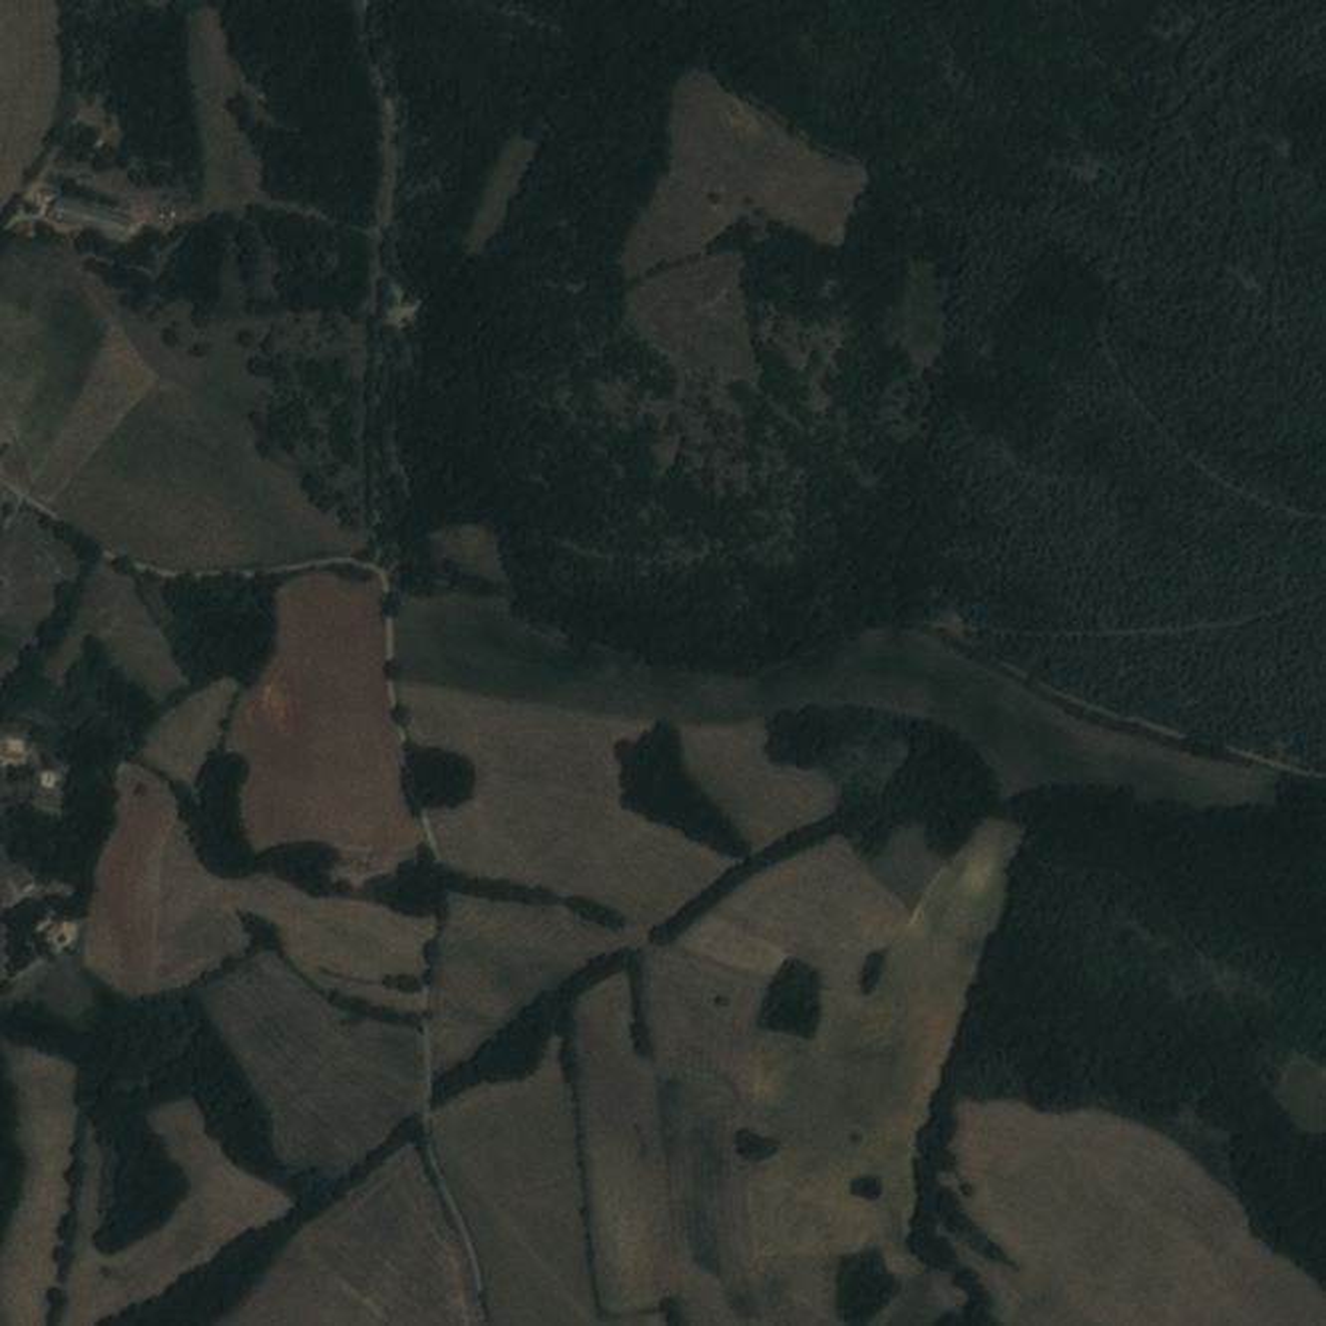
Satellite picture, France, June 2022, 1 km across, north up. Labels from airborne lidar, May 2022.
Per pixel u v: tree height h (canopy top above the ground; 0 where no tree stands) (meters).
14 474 0
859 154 9
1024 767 0
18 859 14
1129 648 14
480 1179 0
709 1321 0
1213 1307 0
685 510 10
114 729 9
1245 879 10
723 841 11
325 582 0
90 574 8
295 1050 0
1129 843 17
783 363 8
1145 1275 0
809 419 7
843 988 0
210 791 12
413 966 0
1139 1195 0
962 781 10
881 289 12
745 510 9
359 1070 0
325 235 8
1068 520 11
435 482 10
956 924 0
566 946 0
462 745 0
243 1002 0
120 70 11
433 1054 0
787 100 9
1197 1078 11
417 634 0
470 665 0
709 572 8
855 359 6
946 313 14
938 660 0
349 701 0
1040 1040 13
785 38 10
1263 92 7
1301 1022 8
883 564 12
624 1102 0
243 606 10
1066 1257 0
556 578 7
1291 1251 15
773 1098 0
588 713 0
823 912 0
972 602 6
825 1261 0
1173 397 12
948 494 9
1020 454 7
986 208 14
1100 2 8
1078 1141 0
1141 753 0
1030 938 9
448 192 9
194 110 9
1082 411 6
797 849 13
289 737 0
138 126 10
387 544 9
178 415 0
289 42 10
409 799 9
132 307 9
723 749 0
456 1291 0
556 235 10
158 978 0
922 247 13
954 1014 0
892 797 8
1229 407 10
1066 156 13
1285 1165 13
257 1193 0
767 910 0
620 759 9
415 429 10
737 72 9
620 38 18
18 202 9
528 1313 0
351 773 0
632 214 8
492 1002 0
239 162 0
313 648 0
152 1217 15
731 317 0
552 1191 0
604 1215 0
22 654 9
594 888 0
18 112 0
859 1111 0
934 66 6
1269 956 7
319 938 0
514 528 11
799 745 10
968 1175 0
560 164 12
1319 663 12
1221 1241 0
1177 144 9
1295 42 11
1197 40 15
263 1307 0
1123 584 10
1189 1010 8
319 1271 0
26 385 0
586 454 10
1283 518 13
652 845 0
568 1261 0
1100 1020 9
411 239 6
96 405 0
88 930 0
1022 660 8
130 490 0
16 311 0
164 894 0
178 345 8
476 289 14
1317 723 13
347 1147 0
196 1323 11
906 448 12
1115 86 7
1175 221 6
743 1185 0
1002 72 9
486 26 10
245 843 12
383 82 6
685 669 13
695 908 12
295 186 8
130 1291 0
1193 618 10
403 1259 0
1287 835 14
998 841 0
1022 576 12
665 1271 0
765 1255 0
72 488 0
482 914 0
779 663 11
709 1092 0
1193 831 12
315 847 8
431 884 9
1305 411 12
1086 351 6
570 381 6
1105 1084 13
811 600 11
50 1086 0
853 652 0
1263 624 14
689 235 0
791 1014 8
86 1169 10
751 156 0
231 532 0
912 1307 0
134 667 0
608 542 6
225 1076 13
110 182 0
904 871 0
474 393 15
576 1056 9
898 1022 0
